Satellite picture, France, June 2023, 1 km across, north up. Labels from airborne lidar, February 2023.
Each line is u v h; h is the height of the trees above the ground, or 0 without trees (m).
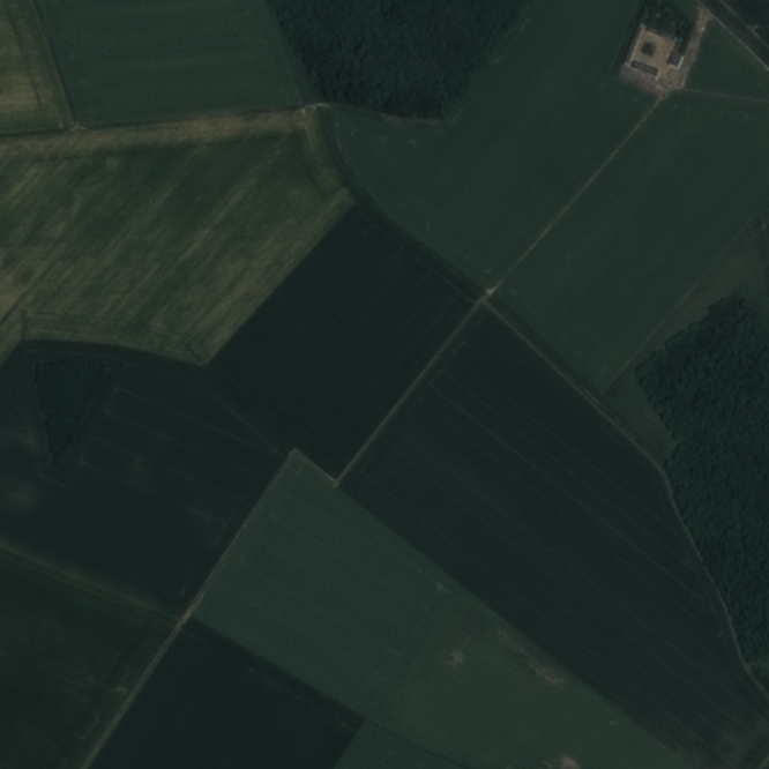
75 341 0
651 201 0
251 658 0
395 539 0
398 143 0
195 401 0
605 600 0
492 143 0
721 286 0
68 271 0
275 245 0
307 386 0
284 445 0
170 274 0
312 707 0
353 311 0
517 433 0
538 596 0
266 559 0
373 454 0
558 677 0
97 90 0
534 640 0
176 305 0
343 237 0
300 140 0
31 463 0
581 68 0
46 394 13
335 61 23
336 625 0
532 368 0
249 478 0
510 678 0
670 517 0
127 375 0
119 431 0
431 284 0
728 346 18
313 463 0
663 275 0
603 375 0
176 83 0
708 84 0
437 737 0
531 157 0
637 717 0
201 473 0
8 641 0
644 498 0
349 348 0
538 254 0
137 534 0
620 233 0
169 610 0
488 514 0
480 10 21
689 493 17
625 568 0
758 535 18
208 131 0
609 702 0
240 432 0
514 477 0
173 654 0
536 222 0
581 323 0
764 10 0
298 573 0
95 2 0
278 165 0
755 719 0
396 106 22
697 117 0
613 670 0
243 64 0
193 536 0
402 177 0
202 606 0
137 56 0
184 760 0
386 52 19
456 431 0
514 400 0
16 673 0
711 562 12
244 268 0
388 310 0
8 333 0
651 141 0
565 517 0
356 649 0
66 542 0
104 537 0
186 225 0
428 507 0
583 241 0
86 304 0
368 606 0
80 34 0
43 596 0
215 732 0
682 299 0
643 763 0
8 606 0
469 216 0
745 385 17
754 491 20
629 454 0
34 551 0
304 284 0
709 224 0
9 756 0
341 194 0
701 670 0
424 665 0
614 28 0
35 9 0
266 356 0
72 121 0
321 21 20
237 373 0
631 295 0
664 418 13
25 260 0
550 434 0
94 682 0
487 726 0
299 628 0
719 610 0
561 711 0
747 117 0
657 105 0
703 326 10
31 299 0
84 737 0
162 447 0
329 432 0
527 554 0
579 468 0
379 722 0
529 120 0
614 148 0
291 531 0
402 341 0
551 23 0
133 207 0
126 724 0
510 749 0
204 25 0
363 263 0
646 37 0
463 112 0
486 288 0
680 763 0
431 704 0
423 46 23
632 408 0
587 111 0
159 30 0
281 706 0
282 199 0
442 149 0
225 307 0
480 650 0
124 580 0
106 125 0
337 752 0
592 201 0
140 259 0
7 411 0
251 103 0
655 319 0
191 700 0
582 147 0
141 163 0
